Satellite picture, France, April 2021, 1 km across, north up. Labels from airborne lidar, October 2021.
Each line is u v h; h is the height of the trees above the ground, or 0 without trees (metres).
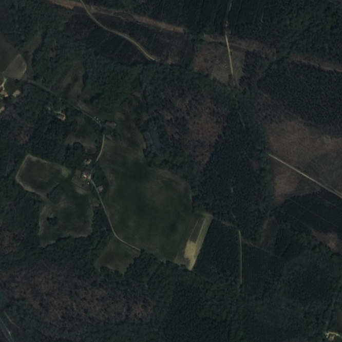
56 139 19
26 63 0
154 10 6
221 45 6
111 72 29
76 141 0
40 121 20
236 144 24
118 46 8
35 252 13
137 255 0
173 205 0
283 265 7
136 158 0
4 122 18
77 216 0
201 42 17
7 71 0
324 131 14
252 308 11
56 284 11
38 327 23
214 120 9
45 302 11
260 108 8
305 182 0
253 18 9
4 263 14
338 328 0
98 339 27
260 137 13
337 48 23
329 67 0
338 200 10
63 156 16
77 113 7
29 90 21
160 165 17
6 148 10
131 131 0
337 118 27
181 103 25
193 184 13
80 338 12
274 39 23
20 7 15
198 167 10
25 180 0
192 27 10
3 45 0
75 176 0
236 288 14
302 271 19
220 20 12
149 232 0
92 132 0
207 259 7
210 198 24
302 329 13
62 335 16
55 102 14
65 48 20
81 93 9
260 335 15
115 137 11
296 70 27
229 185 23
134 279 24
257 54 13
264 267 7
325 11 13
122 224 0
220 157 23
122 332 30
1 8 6
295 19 17
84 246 6
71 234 0
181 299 21
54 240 0
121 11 21
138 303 23
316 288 13
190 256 0
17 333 16
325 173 0
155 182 0
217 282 8
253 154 27
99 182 7
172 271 23
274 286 17
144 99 8
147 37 7
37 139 22
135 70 25
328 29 19
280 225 8
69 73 11
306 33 13
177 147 31
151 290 15
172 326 20
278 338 12
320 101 23
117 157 0
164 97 26
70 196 0
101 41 7
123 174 0
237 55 0
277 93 25
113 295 18
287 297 9
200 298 17
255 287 6
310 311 16
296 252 11
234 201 20
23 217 9
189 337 17
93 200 0
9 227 8
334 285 20
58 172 0
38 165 0
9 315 10
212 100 12
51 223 16
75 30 7
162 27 0
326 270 18
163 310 22
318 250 23
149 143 20
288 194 0
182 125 28
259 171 14
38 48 0
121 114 0
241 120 24
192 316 19
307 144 0
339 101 22
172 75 28
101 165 0
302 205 10
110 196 0
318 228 12
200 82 23
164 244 0
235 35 8
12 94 0
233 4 8
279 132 0
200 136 7
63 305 11
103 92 24
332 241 0
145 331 25
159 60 0
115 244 0
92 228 7
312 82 26
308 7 16
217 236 8
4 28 7
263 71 18
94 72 29
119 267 0
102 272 13
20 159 10
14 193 23
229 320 20
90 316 18
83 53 30
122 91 21
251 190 24
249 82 24
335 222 11
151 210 0
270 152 16
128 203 0
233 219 23
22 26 28
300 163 0
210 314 18
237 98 16
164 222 0
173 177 0
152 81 24
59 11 23
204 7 9
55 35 23
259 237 23
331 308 18
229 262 8
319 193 8
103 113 0
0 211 21
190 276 25
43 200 0
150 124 16
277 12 8
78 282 7
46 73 12
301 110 24
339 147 0
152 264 20
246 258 7
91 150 0
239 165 21
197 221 0
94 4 23
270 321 17
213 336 19
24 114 21
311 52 24
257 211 15
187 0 9
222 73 0
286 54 11
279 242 11
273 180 0
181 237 0
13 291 8
